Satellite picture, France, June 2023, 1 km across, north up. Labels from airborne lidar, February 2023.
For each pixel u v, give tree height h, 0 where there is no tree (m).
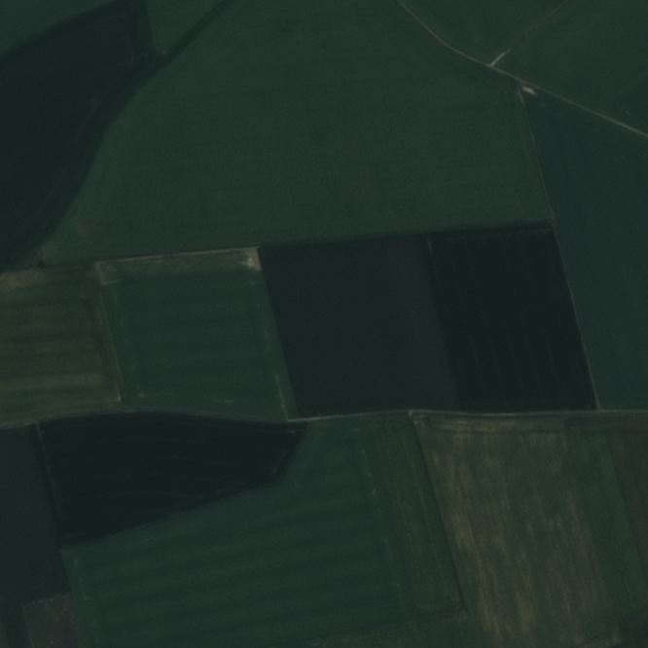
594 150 0
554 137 0
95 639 0
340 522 0
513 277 0
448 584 0
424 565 0
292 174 0
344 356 0
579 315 0
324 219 0
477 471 0
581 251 0
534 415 0
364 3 0
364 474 0
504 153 0
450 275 0
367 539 0
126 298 0
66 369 0
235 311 0
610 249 0
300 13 0
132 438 0
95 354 0
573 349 0
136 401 0
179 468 0
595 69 0
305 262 0
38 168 0
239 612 0
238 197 0
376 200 0
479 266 0
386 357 0
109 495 0
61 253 0
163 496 0
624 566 0
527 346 0
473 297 0
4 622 0
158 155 0
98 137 0
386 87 0
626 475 0
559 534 0
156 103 0
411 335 0
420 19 0
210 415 0
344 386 0
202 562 0
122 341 0
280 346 0
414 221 0
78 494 0
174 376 0
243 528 0
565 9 0
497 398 0
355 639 0
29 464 0
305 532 0
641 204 0
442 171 0
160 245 0
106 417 0
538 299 0
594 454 0
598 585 0
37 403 0
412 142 0
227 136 0
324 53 0
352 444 0
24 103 0
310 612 0
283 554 0
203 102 0
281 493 0
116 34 0
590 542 0
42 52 0
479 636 0
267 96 0
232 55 0
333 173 0
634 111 0
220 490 0
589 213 0
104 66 0
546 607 0
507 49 0
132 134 0
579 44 0
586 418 0
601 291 0
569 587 0
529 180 0
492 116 0
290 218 0
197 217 0
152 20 0
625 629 0
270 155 0
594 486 0
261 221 0
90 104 0
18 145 0
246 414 0
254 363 0
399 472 0
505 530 0
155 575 0
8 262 8
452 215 0
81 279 0
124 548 0
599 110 0
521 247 0
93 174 0
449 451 0
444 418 0
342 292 0
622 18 0
